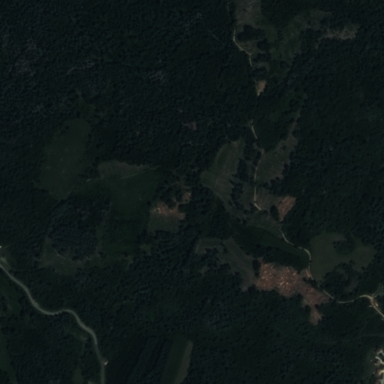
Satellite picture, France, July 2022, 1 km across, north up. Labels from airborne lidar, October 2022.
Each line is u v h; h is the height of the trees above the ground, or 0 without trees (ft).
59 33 79
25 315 75
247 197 0
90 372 24
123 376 55
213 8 64
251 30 91
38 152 41
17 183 35
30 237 18
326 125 21
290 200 0
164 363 86
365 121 26
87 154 19
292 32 0
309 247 19
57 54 70
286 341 18
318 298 0
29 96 74
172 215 0
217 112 28
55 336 21
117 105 19
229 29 52
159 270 38
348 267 34
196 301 28
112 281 37
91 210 41
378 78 35
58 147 0
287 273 0
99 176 63
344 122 43
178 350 0
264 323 31
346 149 33
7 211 46
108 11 29
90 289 23
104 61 57
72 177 0
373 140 29
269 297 20
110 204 105
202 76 45
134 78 47
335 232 27
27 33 72
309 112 29
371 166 36
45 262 0
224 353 89
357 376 63
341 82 47
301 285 0
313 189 41
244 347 75
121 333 45
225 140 70
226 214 23
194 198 64
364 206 43
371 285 24
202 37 47
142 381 79
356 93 55
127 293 21
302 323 25
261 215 19
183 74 41
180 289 42
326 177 54
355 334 23
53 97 70
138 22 56
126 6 38
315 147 23
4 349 0
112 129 32
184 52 73
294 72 81
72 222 61
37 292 30
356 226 53
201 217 0
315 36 23
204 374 59
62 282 39
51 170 0
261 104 38
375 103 36
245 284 0
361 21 59
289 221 33
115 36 34
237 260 0
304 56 56
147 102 62
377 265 19
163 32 34
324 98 71
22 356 22
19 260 32
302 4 27
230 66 49
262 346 25
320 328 19
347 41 37
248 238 21
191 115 49
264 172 0
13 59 25
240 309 25
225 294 22
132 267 47
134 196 0
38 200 66
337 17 42
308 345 21
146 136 50
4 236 39
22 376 49
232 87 51
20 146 21
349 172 46
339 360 23
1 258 0
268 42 75
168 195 42
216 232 41
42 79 67
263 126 25
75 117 58
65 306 22
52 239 95
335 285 21
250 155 53
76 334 0
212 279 37
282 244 0
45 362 50
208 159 63
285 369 31
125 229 23
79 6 67
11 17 68
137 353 45
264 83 0
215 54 24
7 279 70
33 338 25
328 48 29
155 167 28
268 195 0
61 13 79
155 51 40
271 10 37
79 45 28
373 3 28
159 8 54
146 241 61
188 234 85
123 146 43
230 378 30
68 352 19
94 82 74
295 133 61
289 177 52
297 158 86
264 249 48
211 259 56
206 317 39
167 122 35
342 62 45
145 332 26
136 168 0
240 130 56
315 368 29
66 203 98
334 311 34
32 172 56
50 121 58
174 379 0
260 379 24
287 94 60
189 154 43
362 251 0
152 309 28
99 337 25
